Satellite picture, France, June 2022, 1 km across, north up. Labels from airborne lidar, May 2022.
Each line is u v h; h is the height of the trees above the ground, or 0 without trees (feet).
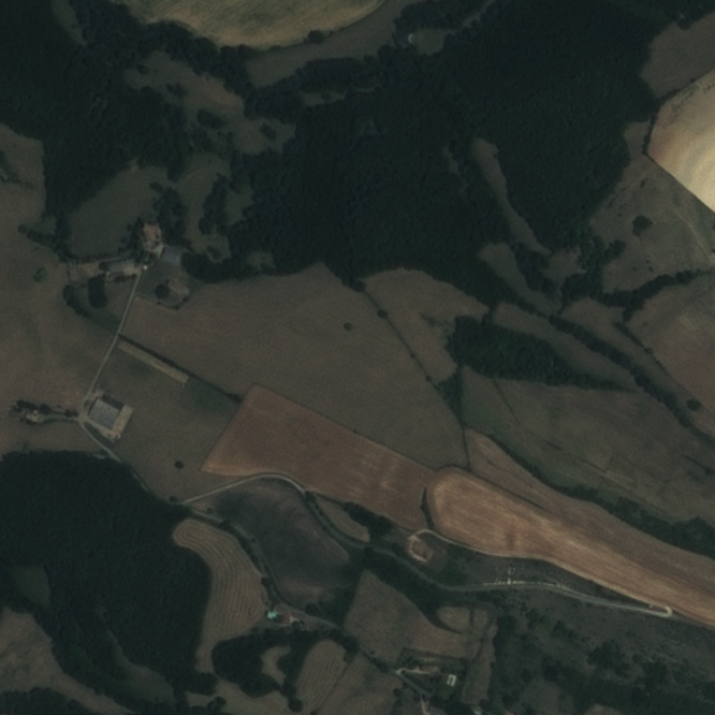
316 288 0
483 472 0
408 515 0
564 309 25
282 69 0
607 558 0
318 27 0
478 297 39
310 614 46
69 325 0
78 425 0
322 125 31
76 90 73
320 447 0
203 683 57
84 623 48
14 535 53
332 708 0
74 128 70
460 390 29
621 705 26
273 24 0
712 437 0
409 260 52
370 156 83
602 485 0
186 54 96
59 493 50
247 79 58
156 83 0
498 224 85
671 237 0
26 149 0
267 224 64
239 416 0
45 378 0
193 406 0
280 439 0
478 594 28
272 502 0
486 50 47
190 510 33
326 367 0
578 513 0
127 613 47
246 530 0
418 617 0
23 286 0
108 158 37
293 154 70
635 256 0
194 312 0
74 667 44
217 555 0
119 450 0
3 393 0
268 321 0
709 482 0
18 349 0
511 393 0
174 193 91
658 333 0
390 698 0
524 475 0
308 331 0
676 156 0
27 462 58
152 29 59
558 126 49
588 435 0
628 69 53
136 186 0
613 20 57
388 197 65
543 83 35
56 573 59
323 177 48
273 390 0
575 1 53
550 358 27
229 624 0
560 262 0
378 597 0
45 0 58
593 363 0
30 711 66
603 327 0
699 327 0
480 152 0
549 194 48
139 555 42
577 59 47
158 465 0
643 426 0
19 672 0
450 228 53
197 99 0
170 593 35
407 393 0
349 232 28
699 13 46
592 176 33
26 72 48
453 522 0
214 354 0
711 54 0
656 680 30
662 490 0
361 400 0
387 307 0
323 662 0
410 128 61
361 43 0
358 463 0
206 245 0
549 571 0
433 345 0
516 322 0
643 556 0
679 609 0
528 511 0
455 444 0
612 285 0
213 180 0
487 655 0
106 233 0
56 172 65
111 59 61
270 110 66
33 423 17
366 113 72
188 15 0
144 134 50
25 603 52
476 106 43
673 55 0
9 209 0
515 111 48
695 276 35
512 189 66
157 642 51
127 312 0
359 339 0
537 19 58
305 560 0
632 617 0
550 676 47
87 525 55
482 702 30
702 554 19
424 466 0
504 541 0
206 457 0
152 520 43
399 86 81
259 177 65
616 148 30
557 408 0
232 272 44
